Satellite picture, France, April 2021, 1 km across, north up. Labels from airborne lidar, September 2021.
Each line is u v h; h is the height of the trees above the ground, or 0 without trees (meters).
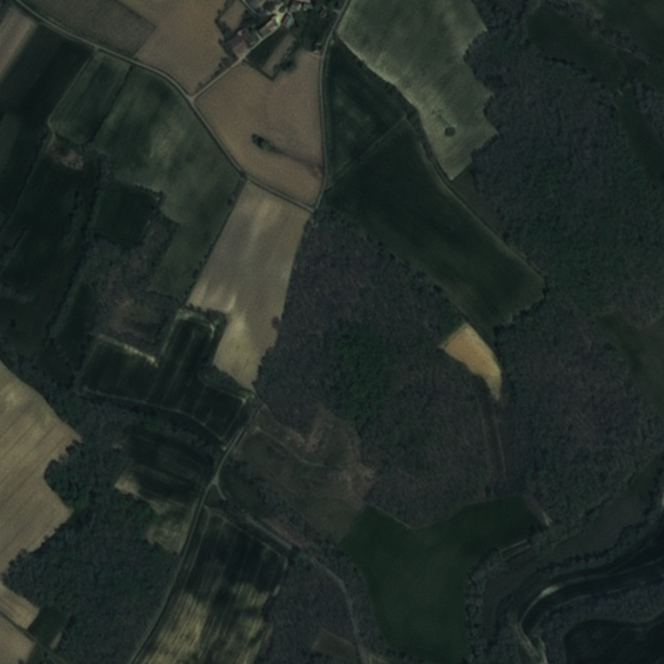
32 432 0
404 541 0
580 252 21
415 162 0
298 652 12
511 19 13
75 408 21
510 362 25
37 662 0
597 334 14
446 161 0
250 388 0
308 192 0
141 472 0
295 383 20
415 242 0
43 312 0
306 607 15
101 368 0
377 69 0
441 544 0
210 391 0
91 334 13
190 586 0
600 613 20
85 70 0
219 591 0
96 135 9
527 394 21
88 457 19
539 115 18
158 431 20
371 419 19
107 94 0
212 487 0
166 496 0
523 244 19
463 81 0
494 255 0
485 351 0
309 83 0
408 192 0
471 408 18
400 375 18
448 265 0
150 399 0
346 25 0
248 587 0
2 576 0
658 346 0
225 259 0
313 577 18
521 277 0
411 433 16
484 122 0
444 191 0
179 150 0
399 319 17
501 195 18
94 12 0
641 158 0
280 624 19
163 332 13
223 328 13
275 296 0
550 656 13
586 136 15
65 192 0
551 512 22
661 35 0
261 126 0
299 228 0
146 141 0
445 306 21
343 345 25
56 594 21
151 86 0
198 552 0
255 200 0
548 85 14
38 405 0
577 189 18
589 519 11
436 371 18
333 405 18
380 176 0
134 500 16
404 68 0
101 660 16
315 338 12
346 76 0
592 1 0
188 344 0
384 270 18
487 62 11
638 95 14
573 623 13
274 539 0
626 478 18
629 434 13
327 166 0
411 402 16
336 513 0
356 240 16
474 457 16
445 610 0
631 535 10
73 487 12
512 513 0
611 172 21
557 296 19
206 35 0
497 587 0
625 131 9
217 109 0
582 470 21
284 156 0
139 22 0
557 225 20
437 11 0
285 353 15
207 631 0
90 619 18
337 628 15
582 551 0
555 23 0
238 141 0
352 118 0
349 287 13
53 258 0
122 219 0
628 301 20
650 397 0
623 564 0
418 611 0
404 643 0
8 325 0
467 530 0
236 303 0
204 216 0
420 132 11
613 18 0
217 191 0
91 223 13
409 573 0
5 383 0
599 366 16
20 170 0
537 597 0
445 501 14
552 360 21
